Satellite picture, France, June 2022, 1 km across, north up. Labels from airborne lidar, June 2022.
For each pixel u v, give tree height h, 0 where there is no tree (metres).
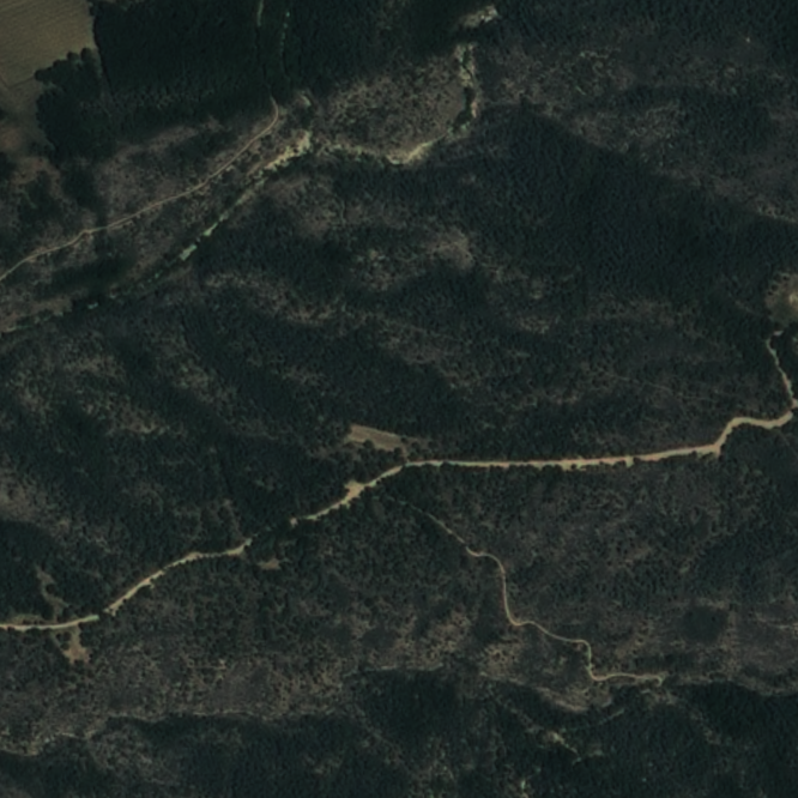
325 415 14
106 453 7
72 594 13
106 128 10
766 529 13
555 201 13
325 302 9
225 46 21
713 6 13
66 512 9
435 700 7
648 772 10
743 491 11
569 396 7
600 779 6
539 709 14
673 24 14
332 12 10
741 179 6
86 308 11
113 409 7
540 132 12
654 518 10
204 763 12
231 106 11
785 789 8
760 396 9
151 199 6
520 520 12
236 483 12
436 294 12
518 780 6
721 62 10
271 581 10
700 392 6
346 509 9
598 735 13
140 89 13
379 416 14
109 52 21
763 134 6
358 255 10
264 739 6
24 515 0
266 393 16
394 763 9
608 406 11
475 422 13
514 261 6
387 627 0
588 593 14
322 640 6
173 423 6
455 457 9
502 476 13
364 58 8
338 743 14
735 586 7
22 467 7
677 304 7
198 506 10
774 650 0
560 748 8
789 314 0
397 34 8
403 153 0
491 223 12
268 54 12
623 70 0
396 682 8
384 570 6
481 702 7
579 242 15
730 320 9
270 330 15
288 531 12
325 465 10
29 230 8
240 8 19
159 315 11
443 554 6
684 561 6
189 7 8
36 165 0
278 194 0
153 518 13
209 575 6
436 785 7
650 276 8
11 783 7
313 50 9
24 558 5
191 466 8
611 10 8
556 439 8
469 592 6
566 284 7
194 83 15
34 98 0
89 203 9
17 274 9
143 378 12
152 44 22
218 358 14
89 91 13
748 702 13
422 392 11
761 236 8
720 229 6
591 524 0
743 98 7
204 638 7
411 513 6
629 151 6
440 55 7
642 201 15
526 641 0
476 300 10
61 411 6
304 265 14
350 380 16
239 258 6
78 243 0
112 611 9
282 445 8
